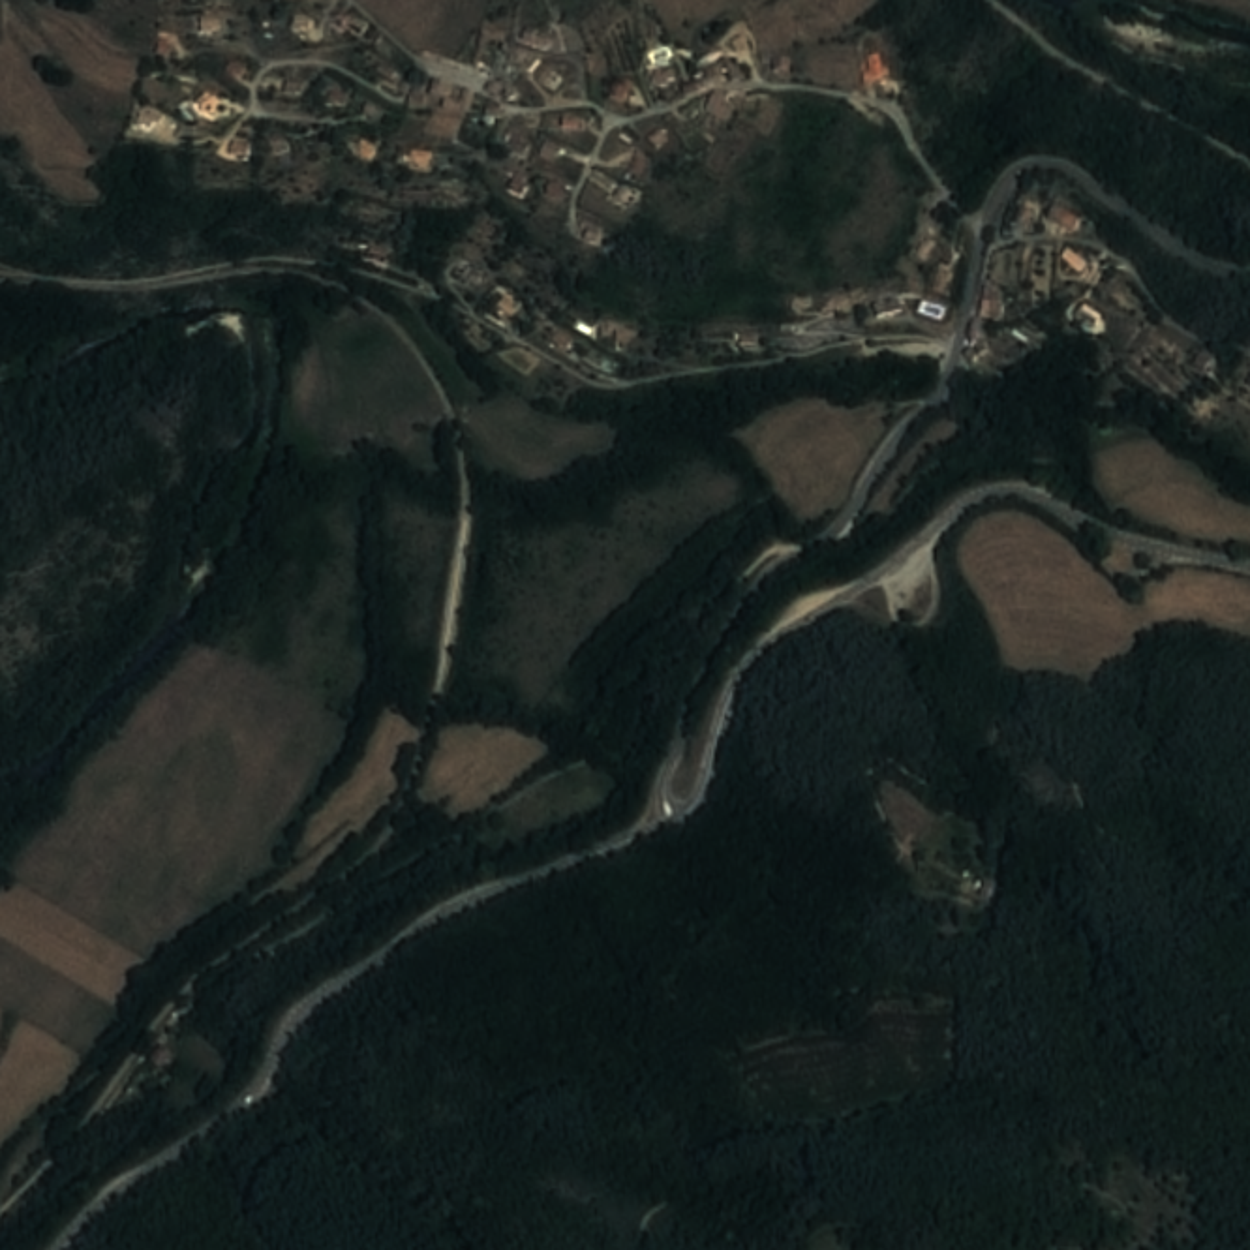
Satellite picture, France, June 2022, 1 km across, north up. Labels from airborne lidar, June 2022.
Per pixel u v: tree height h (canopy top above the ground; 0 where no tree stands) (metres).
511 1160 10
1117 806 13
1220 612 0
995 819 25
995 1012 23
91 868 0
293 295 20
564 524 8
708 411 13
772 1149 30
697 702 19
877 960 22
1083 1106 21
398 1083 16
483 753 0
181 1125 14
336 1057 13
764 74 0
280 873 9
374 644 18
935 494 9
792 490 0
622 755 17
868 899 17
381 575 11
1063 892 28
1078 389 24
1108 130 16
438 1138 8
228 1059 11
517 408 0
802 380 19
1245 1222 17
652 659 16
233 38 6
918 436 16
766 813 21
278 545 26
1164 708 16
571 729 5
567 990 13
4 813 19
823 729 15
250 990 16
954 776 19
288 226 11
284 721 0
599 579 0
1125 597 11
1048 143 13
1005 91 11
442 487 20
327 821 0
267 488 21
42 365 19
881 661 17
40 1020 0
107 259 8
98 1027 0
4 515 13
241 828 0
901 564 0
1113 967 25
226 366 13
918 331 0
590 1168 11
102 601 13
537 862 19
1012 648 0
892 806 0
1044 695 16
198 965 12
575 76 0
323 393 0
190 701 0
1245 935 20
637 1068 10
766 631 20
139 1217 16
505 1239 9
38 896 0
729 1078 16
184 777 0
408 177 8
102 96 0
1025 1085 21
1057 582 0
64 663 13
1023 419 18
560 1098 23
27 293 18
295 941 6
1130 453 0
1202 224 14
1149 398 15
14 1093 0
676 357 9
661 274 13
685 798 0
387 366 0
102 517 10
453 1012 16
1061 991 23
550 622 0
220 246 10
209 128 0
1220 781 10
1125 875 15
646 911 11
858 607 0
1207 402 13
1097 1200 11
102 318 14
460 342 10
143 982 22
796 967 19
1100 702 14
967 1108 21
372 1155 17
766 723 11
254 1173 16
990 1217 21
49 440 14
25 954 0
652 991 22
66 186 0
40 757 19
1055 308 9
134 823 0
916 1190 27
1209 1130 20
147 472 11
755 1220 14
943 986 21
